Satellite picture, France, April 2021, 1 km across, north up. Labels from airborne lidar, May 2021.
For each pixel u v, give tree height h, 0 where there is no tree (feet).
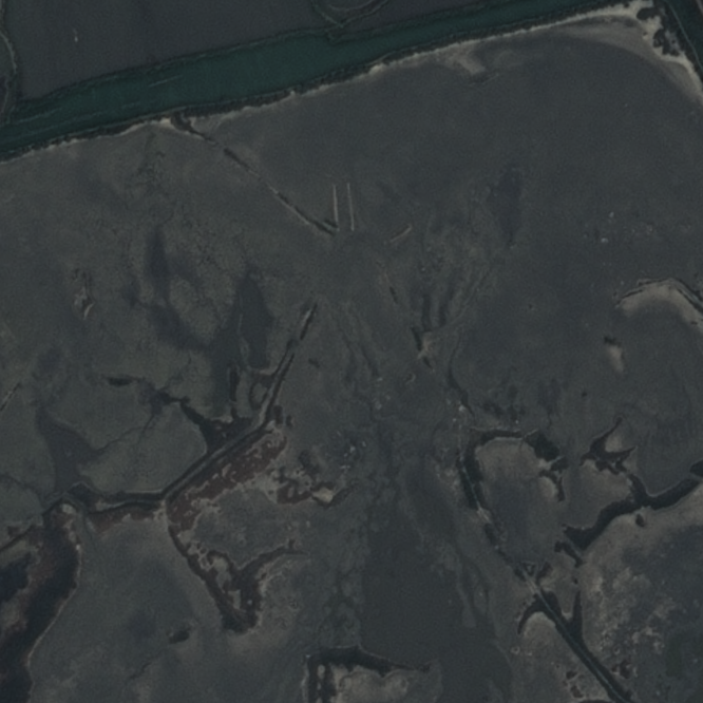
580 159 0
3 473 0
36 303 0
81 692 0
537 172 0
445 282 0
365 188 0
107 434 0
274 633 0
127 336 0
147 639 0
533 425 0
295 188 0
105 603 0
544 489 0
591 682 0
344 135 0
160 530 0
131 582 0
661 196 0
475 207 0
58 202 0
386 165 0
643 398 0
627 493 0
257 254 0
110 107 0
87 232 0
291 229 0
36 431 0
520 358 0
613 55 0
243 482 0
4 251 0
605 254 0
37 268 0
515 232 0
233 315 0
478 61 0
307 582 0
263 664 0
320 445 0
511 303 0
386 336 0
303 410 0
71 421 0
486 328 0
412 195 0
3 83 0
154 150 0
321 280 0
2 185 0
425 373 0
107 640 0
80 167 0
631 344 0
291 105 0
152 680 0
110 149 0
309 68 0
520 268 0
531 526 0
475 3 0
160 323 0
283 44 0
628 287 0
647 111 0
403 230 0
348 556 0
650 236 0
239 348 0
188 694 0
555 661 0
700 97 0
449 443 0
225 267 0
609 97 0
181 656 0
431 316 0
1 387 0
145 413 0
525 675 0
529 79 0
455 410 0
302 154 0
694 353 0
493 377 0
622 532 0
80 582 0
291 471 0
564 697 0
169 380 0
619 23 0
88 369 0
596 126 0
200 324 0
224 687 0
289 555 0
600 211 0
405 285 0
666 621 0
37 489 0
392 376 0
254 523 0
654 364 0
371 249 0
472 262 0
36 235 0
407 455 0
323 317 0
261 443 0
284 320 0
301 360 0
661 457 0
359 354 0
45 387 0
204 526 0
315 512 0
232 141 0
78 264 0
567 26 0
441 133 0
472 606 0
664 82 0
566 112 0
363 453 0
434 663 0
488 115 0
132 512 0
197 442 0
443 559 0
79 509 0
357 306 0
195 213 0
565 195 0
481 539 0
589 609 0
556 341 0
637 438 0
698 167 0
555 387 0
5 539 0
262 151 0
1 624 0
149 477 0
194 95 0
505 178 0
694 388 0
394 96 0
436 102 0
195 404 0
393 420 0
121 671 0
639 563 0
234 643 0
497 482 0
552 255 0
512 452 0
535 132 0
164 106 0
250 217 0
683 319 0
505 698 0
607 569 0
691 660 0
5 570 0
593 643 0
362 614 0
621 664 0
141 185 0
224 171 0
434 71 0
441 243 0
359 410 0
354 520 0
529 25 20
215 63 0
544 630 0
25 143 0
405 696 0
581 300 0
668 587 0
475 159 0
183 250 0
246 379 0
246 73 0
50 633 0
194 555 0
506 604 0
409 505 0
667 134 0
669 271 0
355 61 0
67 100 0
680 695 0
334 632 0
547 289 0
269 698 0
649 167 0
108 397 0
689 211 0
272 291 0
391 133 0
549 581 0
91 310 0
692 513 0
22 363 0
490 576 0
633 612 0
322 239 0
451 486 0
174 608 0
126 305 0
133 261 0
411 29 0
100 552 0
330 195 0
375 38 0
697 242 0
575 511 0
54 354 0
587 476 0
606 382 0
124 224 0
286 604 0
